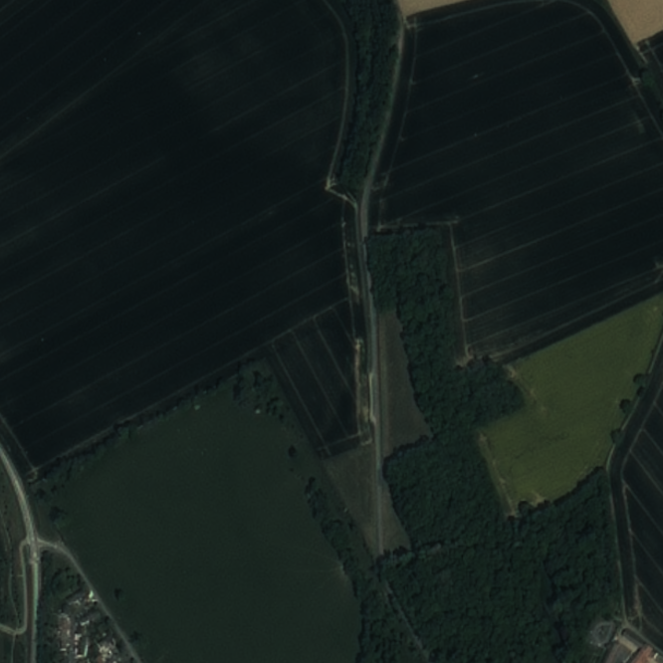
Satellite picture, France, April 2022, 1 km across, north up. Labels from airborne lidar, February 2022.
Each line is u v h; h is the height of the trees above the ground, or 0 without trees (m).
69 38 0
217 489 0
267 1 0
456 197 0
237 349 0
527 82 0
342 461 0
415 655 22
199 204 0
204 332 0
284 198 0
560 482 0
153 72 0
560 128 0
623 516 0
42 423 0
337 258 0
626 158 0
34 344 0
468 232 0
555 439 0
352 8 29
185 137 0
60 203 0
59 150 0
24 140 0
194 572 0
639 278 0
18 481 0
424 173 0
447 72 0
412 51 0
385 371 0
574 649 20
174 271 0
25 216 0
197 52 0
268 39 0
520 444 0
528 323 0
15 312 0
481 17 0
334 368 0
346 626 0
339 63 0
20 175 0
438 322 17
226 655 0
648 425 0
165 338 0
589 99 0
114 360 0
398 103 0
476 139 0
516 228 0
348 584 0
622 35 0
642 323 0
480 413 23
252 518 0
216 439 0
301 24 0
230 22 0
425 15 0
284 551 0
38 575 0
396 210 0
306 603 0
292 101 0
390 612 22
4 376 0
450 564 27
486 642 24
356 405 0
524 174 0
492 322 0
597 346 0
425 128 0
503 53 0
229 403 0
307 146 0
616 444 15
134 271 0
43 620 16
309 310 0
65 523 27
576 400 0
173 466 0
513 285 0
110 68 0
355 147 24
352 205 0
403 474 22
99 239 0
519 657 19
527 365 0
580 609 27
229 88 0
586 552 27
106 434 0
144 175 0
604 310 0
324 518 18
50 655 11
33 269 0
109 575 0
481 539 25
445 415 26
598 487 9
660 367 0
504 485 0
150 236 0
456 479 20
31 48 0
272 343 0
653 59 0
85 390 0
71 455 0
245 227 0
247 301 0
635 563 0
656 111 0
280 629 0
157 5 0
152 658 0
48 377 0
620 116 0
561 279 0
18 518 0
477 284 0
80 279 0
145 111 0
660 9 0
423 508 26
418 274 18
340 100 0
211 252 0
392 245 18
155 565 0
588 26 0
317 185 0
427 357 22
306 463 0
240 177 0
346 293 0
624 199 0
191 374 0
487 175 0
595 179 0
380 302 13
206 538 0
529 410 0
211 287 0
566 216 0
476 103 0
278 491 0
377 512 0
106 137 0
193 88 0
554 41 0
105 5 0
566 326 0
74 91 0
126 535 0
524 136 0
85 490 0
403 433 0
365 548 10
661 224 0
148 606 0
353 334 0
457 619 29
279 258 0
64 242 0
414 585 32
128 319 0
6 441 0
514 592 20
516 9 0
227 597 0
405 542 0
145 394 0
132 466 0
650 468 0
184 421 0
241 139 0
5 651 0
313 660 0
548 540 29
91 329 0
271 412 10
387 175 0
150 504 0
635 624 0
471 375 22
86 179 0
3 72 0
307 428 0
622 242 0
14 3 0
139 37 0
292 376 0
